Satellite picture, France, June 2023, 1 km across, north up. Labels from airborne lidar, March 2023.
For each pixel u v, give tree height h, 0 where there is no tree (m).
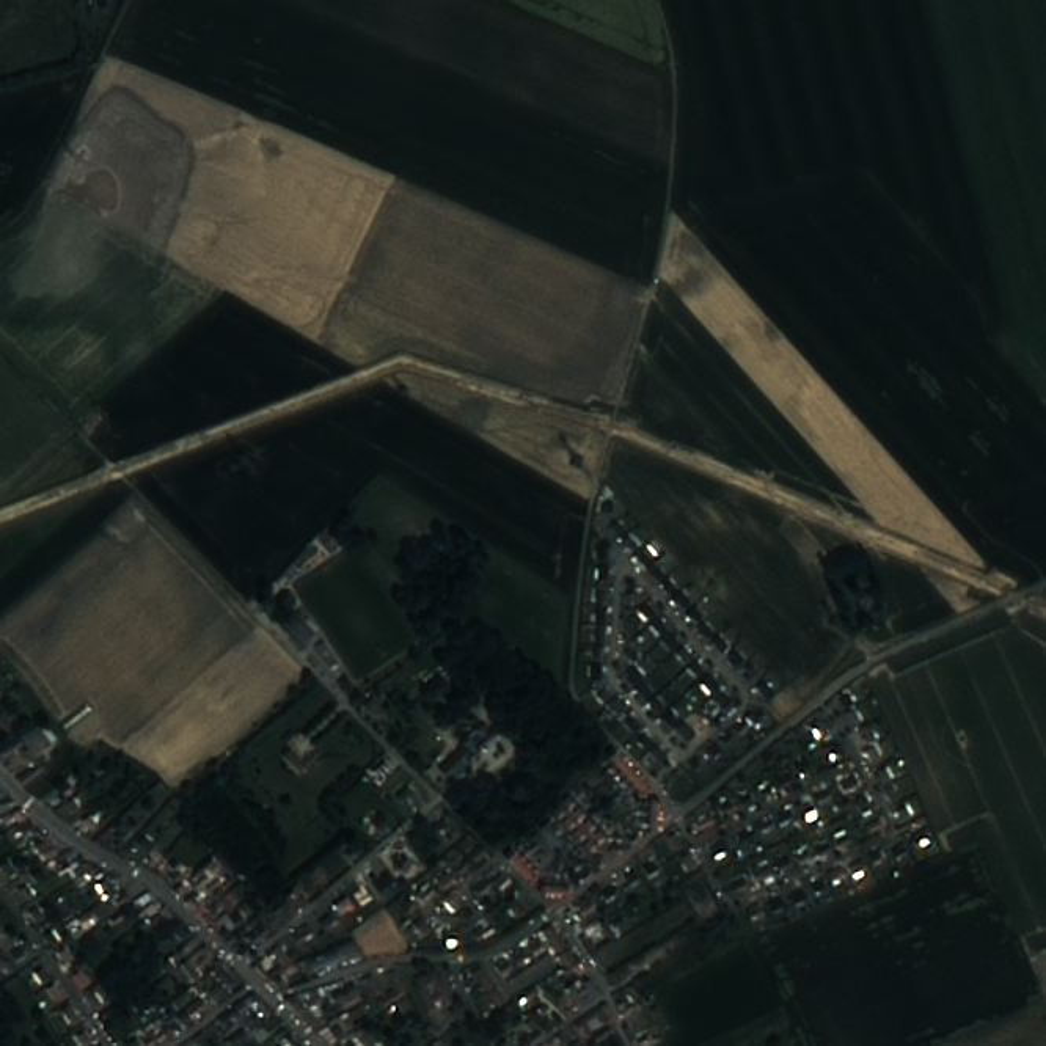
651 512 0
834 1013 0
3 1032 15
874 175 0
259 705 0
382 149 0
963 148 0
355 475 0
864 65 0
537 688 27
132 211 0
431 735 0
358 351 0
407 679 0
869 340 0
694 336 0
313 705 0
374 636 0
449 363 0
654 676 0
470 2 0
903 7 0
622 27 0
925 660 0
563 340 0
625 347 0
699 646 0
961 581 0
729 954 0
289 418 0
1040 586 0
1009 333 0
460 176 0
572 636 0
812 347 0
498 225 0
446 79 0
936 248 0
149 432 0
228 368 0
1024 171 0
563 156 0
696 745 0
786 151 0
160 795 0
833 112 0
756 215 0
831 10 0
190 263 0
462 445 0
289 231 0
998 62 0
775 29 0
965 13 0
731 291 0
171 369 0
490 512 0
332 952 0
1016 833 0
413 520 0
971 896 0
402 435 0
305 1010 0
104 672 0
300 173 0
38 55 0
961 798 0
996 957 0
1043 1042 0
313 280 0
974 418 0
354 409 0
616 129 0
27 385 0
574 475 0
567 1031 0
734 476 0
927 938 0
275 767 0
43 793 0
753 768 0
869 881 0
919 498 0
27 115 0
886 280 0
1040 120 0
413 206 0
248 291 0
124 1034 0
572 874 11
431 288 0
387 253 0
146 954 17
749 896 0
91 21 0
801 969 0
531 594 0
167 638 0
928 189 0
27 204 0
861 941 0
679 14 0
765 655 0
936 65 0
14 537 0
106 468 0
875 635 0
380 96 0
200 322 0
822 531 0
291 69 0
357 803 0
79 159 0
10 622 0
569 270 0
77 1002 0
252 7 0
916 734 0
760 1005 0
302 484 0
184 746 0
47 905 10
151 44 0
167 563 0
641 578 0
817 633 0
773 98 0
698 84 0
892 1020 0
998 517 0
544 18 0
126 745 0
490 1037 7
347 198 0
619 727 0
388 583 0
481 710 0
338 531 21
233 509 0
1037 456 0
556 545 0
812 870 0
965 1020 0
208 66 0
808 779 0
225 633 0
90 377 0
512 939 0
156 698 0
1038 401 0
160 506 0
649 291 0
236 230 0
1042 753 0
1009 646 0
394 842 0
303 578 0
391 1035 16
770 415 0
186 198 0
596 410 0
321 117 0
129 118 0
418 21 0
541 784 20
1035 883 0
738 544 0
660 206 0
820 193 0
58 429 0
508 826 19
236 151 0
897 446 0
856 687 0
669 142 0
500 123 0
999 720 0
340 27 0
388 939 0
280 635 0
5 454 0
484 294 0
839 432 0
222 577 0
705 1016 0
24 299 0
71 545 0
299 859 0
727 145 0
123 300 0
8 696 5
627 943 0
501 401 0
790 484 0
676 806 0
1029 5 0
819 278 0
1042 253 0
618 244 0
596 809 7
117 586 0
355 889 0
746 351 0
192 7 0
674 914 0
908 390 0
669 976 0
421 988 0
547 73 0
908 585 0
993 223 0
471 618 0
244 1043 0
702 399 0
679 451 0
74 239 0
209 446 0
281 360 0
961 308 0
